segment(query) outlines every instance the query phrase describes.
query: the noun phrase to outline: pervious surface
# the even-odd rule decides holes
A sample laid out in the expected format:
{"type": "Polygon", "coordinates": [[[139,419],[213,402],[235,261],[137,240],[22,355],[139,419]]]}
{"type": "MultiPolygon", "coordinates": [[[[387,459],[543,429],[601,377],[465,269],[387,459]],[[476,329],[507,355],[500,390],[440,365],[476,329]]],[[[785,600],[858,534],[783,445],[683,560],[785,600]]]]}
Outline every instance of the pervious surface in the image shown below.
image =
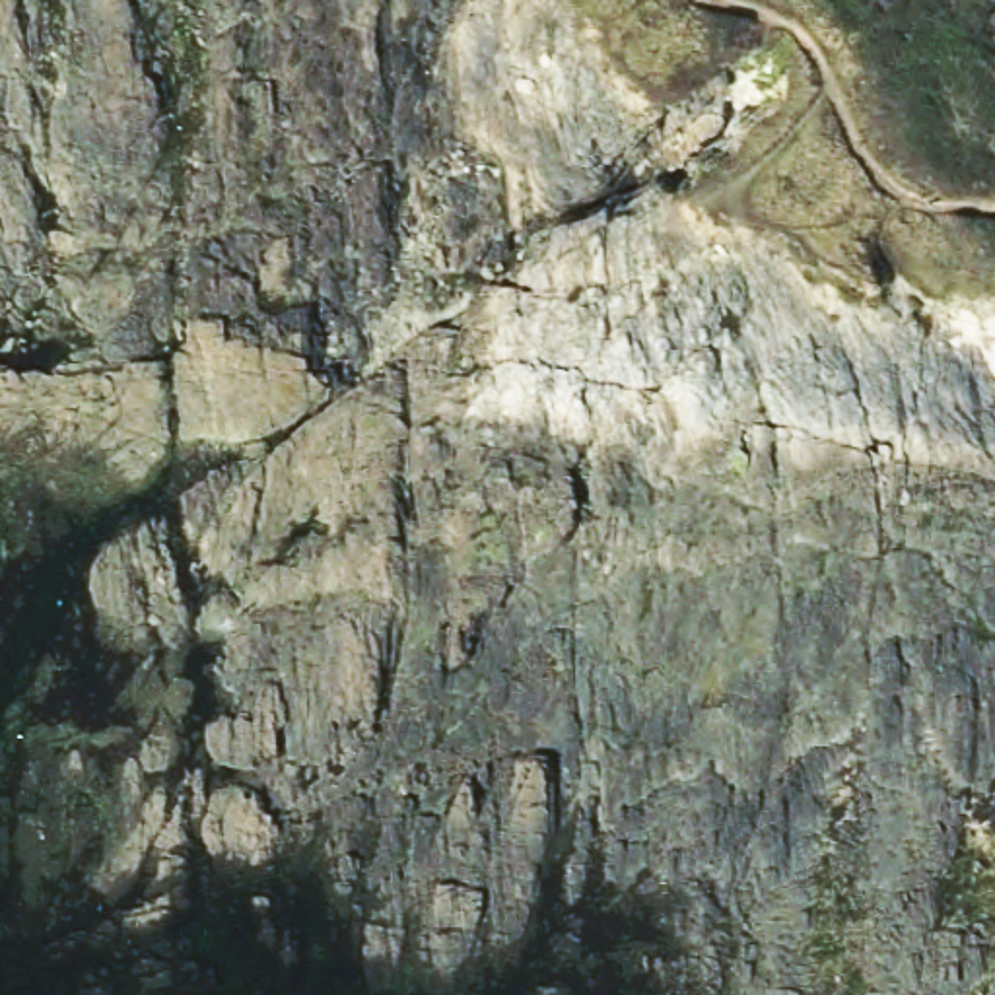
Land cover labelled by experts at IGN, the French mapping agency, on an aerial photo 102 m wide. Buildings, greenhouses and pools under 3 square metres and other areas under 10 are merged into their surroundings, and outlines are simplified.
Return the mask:
{"type": "Polygon", "coordinates": [[[909,183],[902,175],[902,167],[909,163],[906,101],[878,93],[878,74],[855,62],[855,47],[828,19],[828,8],[820,0],[703,0],[723,8],[746,8],[766,27],[797,35],[816,54],[828,97],[840,109],[855,152],[863,152],[867,167],[875,167],[878,183],[890,187],[913,210],[956,210],[995,214],[995,190],[948,194],[933,175],[909,183]]]}

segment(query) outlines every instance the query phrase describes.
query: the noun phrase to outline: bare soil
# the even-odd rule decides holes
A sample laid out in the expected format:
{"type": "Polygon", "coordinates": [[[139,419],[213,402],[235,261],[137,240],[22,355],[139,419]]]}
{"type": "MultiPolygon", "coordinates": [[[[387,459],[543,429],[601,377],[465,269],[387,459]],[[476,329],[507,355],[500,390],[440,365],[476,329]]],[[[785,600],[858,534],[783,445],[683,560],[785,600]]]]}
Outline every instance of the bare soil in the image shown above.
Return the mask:
{"type": "Polygon", "coordinates": [[[120,649],[132,649],[152,630],[159,630],[163,645],[183,641],[187,606],[175,583],[175,560],[167,552],[167,525],[144,521],[136,532],[120,532],[113,544],[105,544],[89,564],[89,599],[97,606],[97,630],[109,645],[120,649]]]}
{"type": "Polygon", "coordinates": [[[956,218],[956,210],[913,210],[890,187],[878,183],[875,167],[867,167],[863,152],[855,152],[840,109],[828,97],[816,54],[797,35],[766,27],[746,8],[723,8],[703,0],[0,0],[0,424],[8,431],[43,424],[47,443],[97,447],[120,470],[120,478],[136,486],[159,466],[159,459],[183,470],[183,482],[190,486],[179,501],[183,532],[190,548],[198,548],[202,567],[225,579],[222,595],[202,606],[198,634],[222,637],[222,661],[214,661],[214,680],[237,711],[237,719],[214,719],[206,727],[206,750],[218,766],[260,777],[288,812],[319,808],[326,816],[330,836],[323,855],[326,871],[334,875],[330,902],[338,906],[338,913],[354,913],[354,925],[365,933],[365,956],[400,956],[404,913],[424,917],[420,960],[435,964],[439,972],[455,972],[455,964],[463,964],[466,956],[494,956],[501,944],[521,941],[536,886],[532,871],[544,847],[540,758],[552,746],[560,750],[567,820],[575,824],[575,847],[564,867],[564,898],[579,902],[583,878],[606,878],[637,894],[661,894],[665,886],[680,890],[688,906],[672,917],[661,917],[657,925],[672,929],[672,937],[688,941],[688,948],[700,956],[696,972],[707,995],[995,995],[995,257],[983,245],[983,237],[976,237],[956,218]]]}
{"type": "Polygon", "coordinates": [[[93,890],[117,890],[136,867],[152,871],[155,878],[167,878],[183,867],[179,843],[198,840],[210,855],[264,863],[272,851],[272,820],[257,808],[257,801],[249,801],[237,789],[206,793],[202,773],[194,770],[179,777],[171,770],[175,738],[152,735],[136,758],[120,766],[120,820],[128,836],[93,871],[93,890]]]}

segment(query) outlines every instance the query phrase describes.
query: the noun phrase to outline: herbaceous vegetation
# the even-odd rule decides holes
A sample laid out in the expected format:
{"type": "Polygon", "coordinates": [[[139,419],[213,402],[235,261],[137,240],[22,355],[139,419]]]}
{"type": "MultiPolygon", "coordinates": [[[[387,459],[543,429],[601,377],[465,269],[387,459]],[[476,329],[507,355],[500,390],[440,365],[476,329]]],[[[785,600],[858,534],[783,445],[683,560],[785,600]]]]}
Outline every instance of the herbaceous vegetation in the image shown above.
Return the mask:
{"type": "Polygon", "coordinates": [[[855,47],[855,62],[878,74],[878,93],[906,101],[909,163],[902,167],[902,175],[909,183],[933,175],[948,194],[995,190],[995,0],[820,0],[828,8],[828,19],[855,47]]]}
{"type": "Polygon", "coordinates": [[[956,218],[976,237],[983,237],[983,245],[995,257],[995,214],[956,210],[956,218]]]}

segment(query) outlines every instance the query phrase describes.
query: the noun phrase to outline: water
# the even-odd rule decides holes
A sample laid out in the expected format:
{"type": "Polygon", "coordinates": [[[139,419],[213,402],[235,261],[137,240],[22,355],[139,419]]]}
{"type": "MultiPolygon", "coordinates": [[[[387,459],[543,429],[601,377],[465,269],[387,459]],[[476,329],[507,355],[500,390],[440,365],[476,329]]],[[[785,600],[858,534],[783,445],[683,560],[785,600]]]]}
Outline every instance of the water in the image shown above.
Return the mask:
{"type": "Polygon", "coordinates": [[[707,995],[696,972],[700,956],[688,948],[688,941],[672,937],[672,929],[657,925],[661,917],[672,917],[688,906],[680,890],[665,886],[661,894],[637,894],[606,878],[583,878],[579,902],[564,898],[564,867],[575,847],[575,824],[567,820],[560,750],[552,746],[540,758],[544,847],[532,871],[536,886],[521,941],[501,944],[494,956],[466,956],[463,964],[455,964],[455,972],[439,972],[435,964],[420,960],[424,917],[404,913],[400,956],[365,956],[365,933],[354,925],[354,913],[338,913],[338,906],[330,902],[334,875],[326,871],[323,855],[330,836],[326,816],[319,808],[288,812],[260,777],[218,766],[206,750],[206,727],[214,719],[237,719],[237,711],[214,680],[214,661],[222,661],[222,637],[198,634],[202,606],[222,595],[225,579],[202,567],[198,548],[190,548],[183,532],[179,501],[190,486],[183,482],[183,470],[159,459],[159,466],[136,486],[120,478],[120,470],[97,447],[47,443],[43,424],[8,431],[0,424],[0,995],[707,995]],[[159,630],[152,630],[132,649],[120,649],[109,645],[97,630],[97,606],[89,599],[89,564],[105,544],[113,544],[120,532],[136,532],[144,521],[167,525],[167,552],[175,560],[175,583],[187,606],[183,641],[163,645],[159,630]],[[183,867],[167,878],[155,878],[152,871],[136,867],[117,890],[93,890],[93,871],[128,836],[120,820],[120,766],[136,758],[152,735],[175,738],[171,770],[179,777],[194,770],[202,773],[206,793],[237,789],[249,801],[257,801],[257,808],[272,820],[272,851],[264,863],[210,855],[198,840],[179,843],[183,867]]]}

